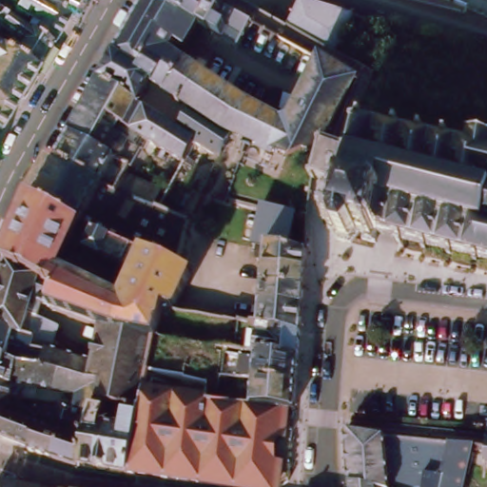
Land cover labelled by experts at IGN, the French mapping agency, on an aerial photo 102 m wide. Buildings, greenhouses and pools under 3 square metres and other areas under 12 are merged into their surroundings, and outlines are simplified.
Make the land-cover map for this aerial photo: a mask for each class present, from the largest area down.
<instances>
[{"label":"building","instance_id":"1","mask_svg":"<svg viewBox=\"0 0 487 487\"><path fill-rule=\"evenodd\" d=\"M80 2L89 0H0V127L8 124L6 116L13 112L8 108L11 101L8 97L13 95L11 89L13 82L17 80L19 70L27 63L40 65L48 57L51 49L63 48L67 36L74 34V27L78 25L76 13H80ZM261 8L247 15L240 10H230L228 6H221L215 11L213 0H139L137 8L127 17L124 27L118 34L124 44L120 48L110 44L103 59L89 67V89L80 95V101L72 103V114L65 120L61 129L51 131L48 137L49 146H42L38 156L32 158L23 183L17 186L8 213L2 217L0 228V474L4 470L6 460L13 453V447H21L27 453L53 458L72 466H82L80 457H89V466L95 468H105L124 474H146L166 479L213 483L226 487H266V483L274 481L276 474H293L297 466V420L301 409L302 392L295 388V371L299 363L291 360V367L285 365V352H282V348L287 344H299L297 333L301 323V312L297 306H289L287 302L291 297H301L302 251L295 249L285 236L270 234V228L282 213L283 205L268 202L266 198L257 200L236 192L234 185L240 167H261L266 175L276 179H278L283 173L285 158L297 152H304L308 156L306 173L310 177V183L304 186L306 198L314 200L321 219L327 224L329 234L337 242L350 245L356 234H361V238L367 242L375 238L380 243H394L398 247L403 245L407 249H415L419 251L420 259L436 255L443 259L445 264L468 263L474 270H487V122L481 120L477 129L466 126L464 129H455L447 127L443 118H439L438 124H428L420 120L419 114L407 120L396 116L394 108H390L386 114H380L377 110H365L358 105L356 110L346 107L342 127L335 124L331 120L333 112L337 110L344 93L356 78L354 68L325 53V40L329 38L341 15V8L323 0H255ZM236 209L251 211V215L243 226L242 238H238L234 243H226L221 232L224 226L232 221ZM158 301L169 310L183 306L215 314H228V321L242 323L245 337L242 344L223 342L219 346L224 348L226 356L219 358L215 365H219V377L245 379L247 394L253 398L249 405L238 403V399L232 396L209 394L207 382H192L179 377L150 373L152 367L148 365V354L154 331L150 318ZM455 11L464 10L466 0H413ZM337 474H341L346 487H390L386 483L384 472L380 430L352 426V422H348L342 428V434L337 436ZM401 466L396 487H487V445L472 439L399 436Z\"/></svg>","mask_w":487,"mask_h":487},{"label":"impervious surface","instance_id":"2","mask_svg":"<svg viewBox=\"0 0 487 487\"><path fill-rule=\"evenodd\" d=\"M139 0H89L80 2V13H76L78 25L74 27V34L67 36L63 48L51 49L48 57L40 65L27 63L19 70L17 80L13 82L11 89L13 95L8 97L11 101L8 108L13 112L6 116L8 124L0 127V228L2 217L8 213L17 186L23 183L32 158L38 156L42 146H49L48 137L51 131L61 129L65 120L72 114V103L80 101V95L89 89V67L103 59L110 44L120 48L124 44L118 34L124 27L127 17L137 8ZM221 6H228L230 10H240L247 15L261 8L255 0H213L215 11ZM341 8L348 11V19L354 25L369 17L399 15L409 25H420L426 21L434 25H451L457 29H466L487 36V0H466L464 10L455 11L413 0H323ZM268 202L283 205L282 213L270 228V234L285 236L295 249L302 251L301 297H291L287 302L289 306H297L301 312V323L297 333L299 344H287L282 348V352H285V365L291 367V360L299 363L295 371V388L302 392L301 409L297 420V466L293 474H276L274 481L266 483V487H346L341 474H337V436L342 434V428L348 422H352V426L380 430L384 472L386 483L390 487H396L401 466L399 436L472 439L487 445V270H474L468 263L445 264L443 259L436 255L420 259L419 251L415 249H407L403 245L398 247L394 243H380L375 238L367 242L361 238V234H356L350 245L337 242L329 234L327 224L321 219L314 200L306 198L304 186L285 185L278 179H276L270 186L266 198ZM365 327L394 331V339L384 342L382 348L369 346L367 337H361V331ZM407 413L424 419L449 417L460 419V422L457 426L405 424L403 417ZM150 373L179 377L192 382H207L209 394L232 396L238 399V403L249 405L253 398L247 394L245 379L219 377V365H215L207 369H192L190 373L166 367H152ZM82 466H72L53 458L27 453L21 447H13V453L6 460L4 470L0 474V487H226L213 483L166 479L146 474H124L105 468H95L89 466V457H80Z\"/></svg>","mask_w":487,"mask_h":487},{"label":"deciduous trees","instance_id":"3","mask_svg":"<svg viewBox=\"0 0 487 487\"><path fill-rule=\"evenodd\" d=\"M325 53L354 68L356 78L344 93L337 110L333 112L331 120L335 124L342 127L346 107L356 110L358 105L365 110H377L380 114H386L390 108H394L396 116L407 120L419 114L420 120L428 124H438L439 118H443L447 127L455 129H464L466 126L477 129L481 120L487 122V36L466 29H457L451 25H434L426 21L420 25H409L399 15L369 17L354 25L348 19V11L341 8V15L329 38L325 40ZM361 337H367L369 346L382 348L384 342L394 339V331L365 327L361 331Z\"/></svg>","mask_w":487,"mask_h":487},{"label":"herbaceous vegetation","instance_id":"4","mask_svg":"<svg viewBox=\"0 0 487 487\"><path fill-rule=\"evenodd\" d=\"M308 156L304 152H297L285 158L283 173L278 179L285 185L304 186L310 183V177L306 173ZM276 179L266 175L261 167H240L234 185L236 192L257 200L266 198L270 186ZM251 215V211L236 209L232 221L224 226L221 232L226 243H234L238 238H242L243 226ZM154 331H160L162 335L185 337L196 341L223 342L242 344L245 337L242 323L228 321V314H215L183 306L169 310L158 301L150 318ZM405 424L457 426L460 422V419L449 417L424 419L407 413L403 417Z\"/></svg>","mask_w":487,"mask_h":487},{"label":"brushwood","instance_id":"5","mask_svg":"<svg viewBox=\"0 0 487 487\"><path fill-rule=\"evenodd\" d=\"M223 342L196 341L185 337L162 335L160 331H154L148 354V365L152 367H166L190 373L192 369H207L215 365L219 358L226 356L224 348L219 346Z\"/></svg>","mask_w":487,"mask_h":487}]
</instances>
